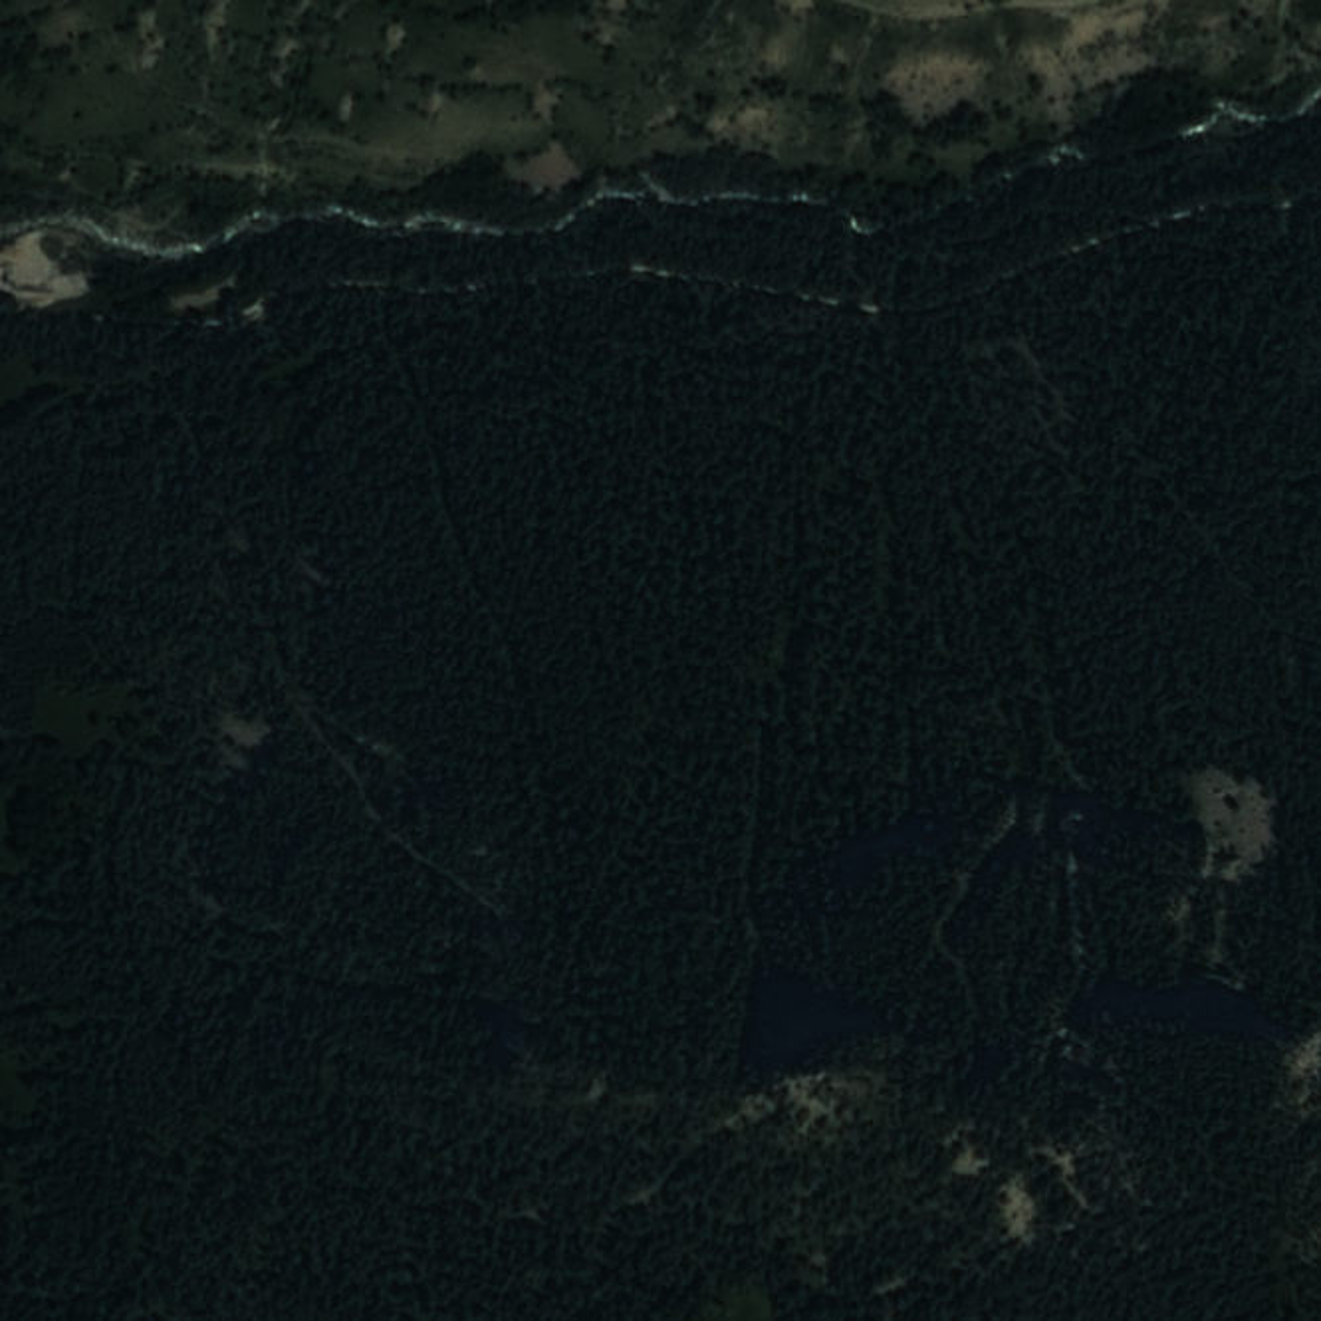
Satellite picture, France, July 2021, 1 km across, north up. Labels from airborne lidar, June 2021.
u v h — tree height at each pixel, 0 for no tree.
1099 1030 7
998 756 21
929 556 27
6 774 21
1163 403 19
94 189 0
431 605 21
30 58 10
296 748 24
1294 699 16
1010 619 25
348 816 19
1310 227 22
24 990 10
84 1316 18
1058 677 6
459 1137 20
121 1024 28
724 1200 16
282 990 18
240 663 7
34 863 10
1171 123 15
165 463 20
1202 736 20
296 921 17
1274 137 17
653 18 7
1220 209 20
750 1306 0
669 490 8
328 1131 27
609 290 19
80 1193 19
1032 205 23
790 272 26
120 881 27
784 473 28
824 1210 11
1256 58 0
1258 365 27
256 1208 26
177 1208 12
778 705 25
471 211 14
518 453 23
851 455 30
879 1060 15
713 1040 13
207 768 26
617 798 24
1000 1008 16
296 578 27
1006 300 15
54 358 21
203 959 12
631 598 30
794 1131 7
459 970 24
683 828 8
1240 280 21
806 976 9
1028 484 26
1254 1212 9
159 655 17
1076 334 23
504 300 20
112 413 23
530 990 12
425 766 21
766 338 22
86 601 16
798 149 0
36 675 19
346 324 27
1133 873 17
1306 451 18
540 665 25
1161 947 22
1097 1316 11
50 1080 13
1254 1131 15
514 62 0
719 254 26
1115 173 27
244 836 30
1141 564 31
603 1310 21
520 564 24
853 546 22
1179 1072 14
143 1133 21
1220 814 0
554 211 7
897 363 8
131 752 9
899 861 14
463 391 24
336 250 23
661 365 24
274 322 12
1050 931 20
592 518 30
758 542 28
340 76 0
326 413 32
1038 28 0
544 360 25
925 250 26
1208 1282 12
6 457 17
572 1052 18
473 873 6
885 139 9
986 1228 12
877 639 10
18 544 18
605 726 27
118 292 14
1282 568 25
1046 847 7
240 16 0
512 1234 16
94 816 8
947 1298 18
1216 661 24
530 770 29
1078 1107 12
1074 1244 16
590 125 0
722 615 26
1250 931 19
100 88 0
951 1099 13
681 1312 27
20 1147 25
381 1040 8
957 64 0
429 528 22
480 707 24
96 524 25
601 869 26
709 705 25
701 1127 10
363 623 18
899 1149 11
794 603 10
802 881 15
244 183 7
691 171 14
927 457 30
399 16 8
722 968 18
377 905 19
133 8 7
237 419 26
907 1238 14
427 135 0
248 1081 28
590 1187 15
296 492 25
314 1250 16
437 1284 18
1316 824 28
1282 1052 9
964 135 12
